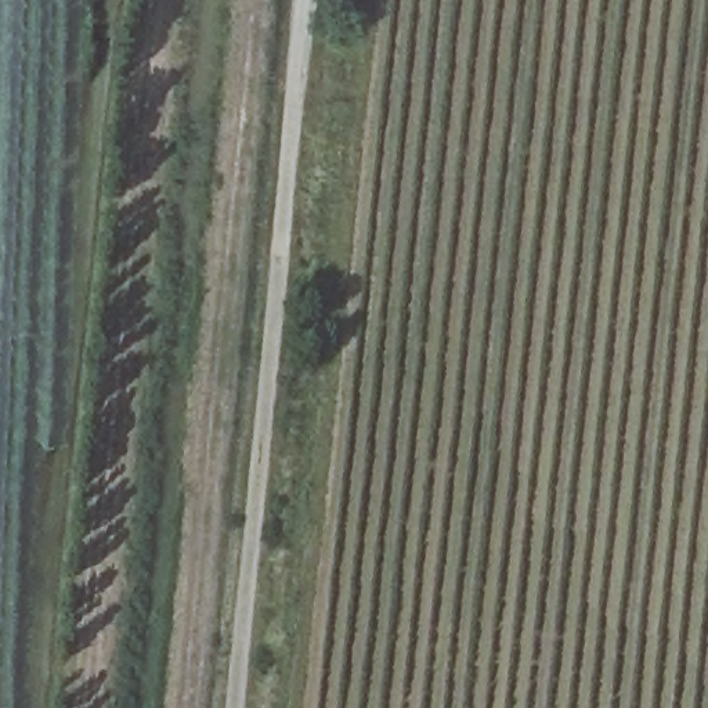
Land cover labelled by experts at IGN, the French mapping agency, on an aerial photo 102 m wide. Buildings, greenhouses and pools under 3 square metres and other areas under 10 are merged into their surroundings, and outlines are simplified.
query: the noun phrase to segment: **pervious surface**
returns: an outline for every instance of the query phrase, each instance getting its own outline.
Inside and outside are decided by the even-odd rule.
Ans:
[[[194,382],[185,384],[185,412],[177,431],[177,440],[183,443],[183,465],[174,476],[174,492],[185,498],[185,512],[180,542],[180,575],[174,592],[174,631],[169,647],[166,708],[202,708],[216,606],[221,478],[232,431],[232,401],[241,357],[238,346],[246,293],[246,235],[252,221],[266,44],[271,33],[274,0],[232,0],[232,33],[224,77],[216,163],[224,177],[224,185],[213,194],[213,221],[205,235],[205,277],[199,351],[194,362]]]

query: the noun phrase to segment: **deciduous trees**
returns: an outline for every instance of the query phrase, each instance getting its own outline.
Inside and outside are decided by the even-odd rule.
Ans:
[[[232,33],[232,0],[218,0],[213,17],[213,72],[224,77]]]
[[[274,0],[271,33],[266,44],[252,221],[246,235],[246,293],[238,346],[241,357],[260,362],[293,0]]]
[[[77,575],[83,572],[77,561],[86,548],[83,523],[89,514],[89,509],[83,506],[83,492],[89,490],[86,481],[89,456],[94,445],[100,362],[108,346],[102,321],[108,257],[113,249],[116,218],[122,210],[116,191],[124,171],[119,147],[119,113],[127,86],[124,66],[133,47],[133,25],[141,11],[141,0],[108,0],[105,8],[111,53],[105,58],[100,77],[94,80],[86,136],[86,166],[80,180],[72,185],[72,230],[83,235],[86,254],[94,254],[94,271],[80,371],[66,539],[58,575],[58,608],[44,611],[41,620],[33,622],[28,636],[28,691],[39,708],[64,708],[69,694],[64,691],[64,680],[69,672],[77,672],[77,661],[66,653],[66,644],[75,636],[72,600],[75,589],[80,586]]]
[[[83,25],[77,80],[86,77],[94,61],[97,0],[80,0]]]
[[[310,17],[313,44],[324,47],[326,55],[337,58],[365,53],[360,14],[346,11],[343,0],[315,0],[315,11]]]
[[[301,368],[315,354],[321,296],[315,290],[315,277],[301,279],[293,288],[288,285],[279,357],[290,368]]]
[[[152,362],[141,368],[141,376],[136,379],[130,443],[138,445],[138,456],[136,476],[127,478],[133,495],[124,506],[127,539],[122,542],[122,550],[127,550],[127,592],[122,592],[122,597],[116,600],[119,614],[111,622],[116,628],[116,647],[111,653],[108,667],[102,669],[108,680],[100,686],[100,691],[111,694],[111,700],[102,708],[166,708],[169,647],[174,631],[174,592],[180,575],[180,542],[185,512],[185,498],[174,492],[166,537],[166,572],[160,606],[158,611],[152,611],[144,606],[149,512],[155,506],[155,484],[160,467],[155,415],[166,373],[166,354],[174,354],[180,360],[185,384],[194,382],[194,362],[199,351],[205,277],[191,271],[191,263],[185,260],[185,246],[174,249],[174,227],[155,227],[152,232],[158,246],[152,249],[149,260],[147,304],[155,313],[158,326],[149,337],[144,337],[147,348],[152,351]]]
[[[288,495],[266,498],[263,542],[274,550],[288,550],[296,542],[293,537],[285,537],[279,520],[282,506],[290,503]]]
[[[0,0],[0,321],[8,199],[14,0]]]
[[[274,667],[274,650],[268,644],[252,650],[249,664],[263,675],[268,675],[268,669]]]

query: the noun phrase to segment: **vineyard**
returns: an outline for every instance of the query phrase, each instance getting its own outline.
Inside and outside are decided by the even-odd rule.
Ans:
[[[304,708],[708,708],[708,0],[343,0],[346,11],[360,14],[365,53],[371,55],[371,80],[362,122],[362,163],[357,188],[351,268],[340,271],[337,266],[329,266],[318,268],[315,277],[315,290],[321,296],[315,354],[310,371],[321,371],[332,362],[337,365],[337,393],[329,476],[324,495],[324,542],[310,622]]]

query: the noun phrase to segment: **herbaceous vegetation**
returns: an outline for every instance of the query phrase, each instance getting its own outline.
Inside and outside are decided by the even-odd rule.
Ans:
[[[227,675],[241,578],[260,362],[241,357],[232,401],[232,431],[221,478],[216,606],[202,708],[227,708]]]
[[[301,279],[315,277],[318,268],[329,266],[337,266],[340,271],[351,268],[357,188],[362,163],[362,122],[371,80],[371,55],[365,53],[337,58],[326,55],[324,47],[313,44],[296,163],[288,285],[293,288]]]
[[[94,254],[86,254],[83,235],[72,230],[72,185],[80,180],[86,166],[86,136],[94,80],[100,77],[105,58],[111,53],[105,8],[108,0],[97,0],[94,61],[86,77],[77,80],[83,25],[80,0],[14,0],[8,199],[0,321],[0,708],[39,708],[28,691],[28,636],[33,622],[41,620],[44,611],[58,608],[58,575],[66,539],[80,371],[94,271]]]
[[[119,113],[119,147],[124,171],[116,191],[122,210],[116,218],[113,249],[108,257],[102,321],[108,346],[100,362],[94,445],[89,456],[86,481],[89,490],[83,492],[83,506],[89,509],[89,514],[83,523],[86,548],[77,561],[83,572],[77,575],[80,586],[75,589],[72,600],[75,636],[66,644],[66,653],[77,661],[77,672],[69,672],[64,680],[64,691],[69,694],[64,708],[102,708],[111,700],[111,694],[100,691],[100,686],[108,680],[102,669],[108,667],[111,653],[116,647],[116,628],[111,622],[119,614],[116,600],[122,597],[122,592],[127,592],[127,550],[122,550],[122,542],[127,539],[124,506],[133,495],[127,478],[136,476],[138,456],[138,445],[130,443],[136,379],[141,376],[141,368],[152,362],[152,351],[147,348],[144,337],[149,337],[158,326],[155,313],[147,304],[149,260],[152,249],[158,246],[152,232],[155,227],[174,227],[174,249],[185,246],[185,260],[191,263],[191,271],[205,277],[205,235],[213,221],[213,194],[224,185],[224,177],[216,163],[224,77],[213,72],[202,111],[191,102],[191,94],[185,91],[185,86],[191,83],[185,64],[191,58],[191,28],[196,0],[141,0],[141,11],[133,25],[133,47],[124,66],[127,86]]]
[[[290,503],[282,506],[279,520],[285,537],[293,537],[296,542],[288,550],[274,550],[263,542],[257,567],[252,650],[268,644],[274,650],[274,667],[268,669],[268,675],[263,675],[249,664],[246,708],[304,708],[310,622],[324,542],[324,495],[329,476],[337,393],[337,365],[332,362],[321,371],[310,371],[315,354],[301,368],[290,368],[279,357],[266,498],[288,495]]]

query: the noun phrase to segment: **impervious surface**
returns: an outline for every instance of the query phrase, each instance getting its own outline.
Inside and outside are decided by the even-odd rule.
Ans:
[[[279,357],[288,285],[296,163],[313,44],[310,17],[315,11],[315,0],[293,0],[260,362],[241,578],[227,675],[227,708],[246,708],[249,664],[252,650],[257,567],[263,542],[266,498]]]

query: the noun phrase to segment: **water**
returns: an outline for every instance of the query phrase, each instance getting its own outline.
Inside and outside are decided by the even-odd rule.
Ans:
[[[174,492],[174,476],[183,465],[183,443],[177,440],[177,431],[185,412],[185,384],[180,360],[174,354],[166,354],[166,373],[155,415],[160,467],[155,484],[155,506],[149,512],[144,606],[152,611],[158,611],[160,606],[166,572],[166,537]]]
[[[213,72],[213,17],[218,0],[196,0],[191,28],[191,58],[185,64],[191,83],[185,86],[185,91],[191,94],[191,102],[202,111]]]

